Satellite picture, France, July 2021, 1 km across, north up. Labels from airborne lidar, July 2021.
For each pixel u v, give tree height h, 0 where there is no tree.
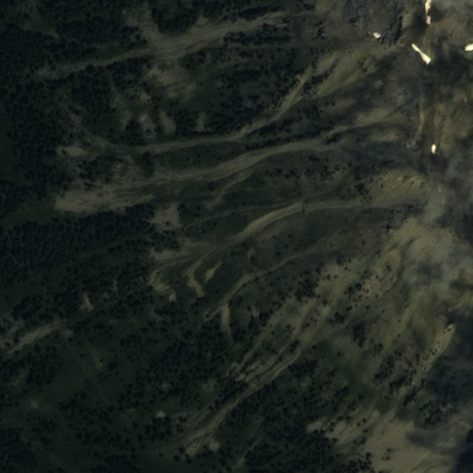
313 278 0
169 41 0
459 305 0
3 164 0
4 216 10
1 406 10
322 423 0
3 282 13
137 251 16
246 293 0
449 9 0
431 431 0
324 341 0
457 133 0
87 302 0
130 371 0
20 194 15
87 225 22
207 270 0
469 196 0
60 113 7
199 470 0
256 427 0
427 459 0
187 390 9
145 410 8
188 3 0
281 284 0
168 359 16
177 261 0
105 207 0
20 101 23
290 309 0
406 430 0
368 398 0
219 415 0
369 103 0
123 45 16
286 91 7
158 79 0
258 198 0
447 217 0
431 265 0
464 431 0
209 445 0
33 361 11
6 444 19
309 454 7
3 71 23
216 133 9
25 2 0
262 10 13
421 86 0
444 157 0
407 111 0
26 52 26
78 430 9
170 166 0
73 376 0
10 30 20
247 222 0
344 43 0
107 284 16
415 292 0
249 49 0
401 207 0
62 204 0
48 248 27
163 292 0
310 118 7
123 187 0
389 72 0
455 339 0
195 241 0
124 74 13
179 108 0
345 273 0
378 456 0
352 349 0
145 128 0
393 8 0
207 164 0
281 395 0
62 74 0
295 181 0
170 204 0
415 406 0
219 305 0
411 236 0
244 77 13
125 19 0
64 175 13
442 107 0
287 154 0
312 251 0
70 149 0
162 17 16
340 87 0
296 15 0
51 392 0
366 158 0
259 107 12
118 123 0
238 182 0
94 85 24
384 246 0
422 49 0
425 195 0
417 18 0
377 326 0
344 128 0
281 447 0
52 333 0
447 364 0
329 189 0
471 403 0
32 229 32
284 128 8
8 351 0
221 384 12
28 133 12
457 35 0
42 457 0
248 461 8
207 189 0
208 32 0
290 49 0
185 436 0
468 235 0
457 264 0
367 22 0
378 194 0
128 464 21
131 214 15
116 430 0
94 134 10
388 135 0
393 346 0
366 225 0
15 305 0
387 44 0
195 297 0
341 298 0
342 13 0
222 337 18
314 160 7
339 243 0
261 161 0
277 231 0
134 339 9
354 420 0
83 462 0
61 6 20
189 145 0
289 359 0
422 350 0
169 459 0
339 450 0
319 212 0
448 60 0
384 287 0
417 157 0
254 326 14
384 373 6
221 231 0
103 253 0
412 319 0
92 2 19
